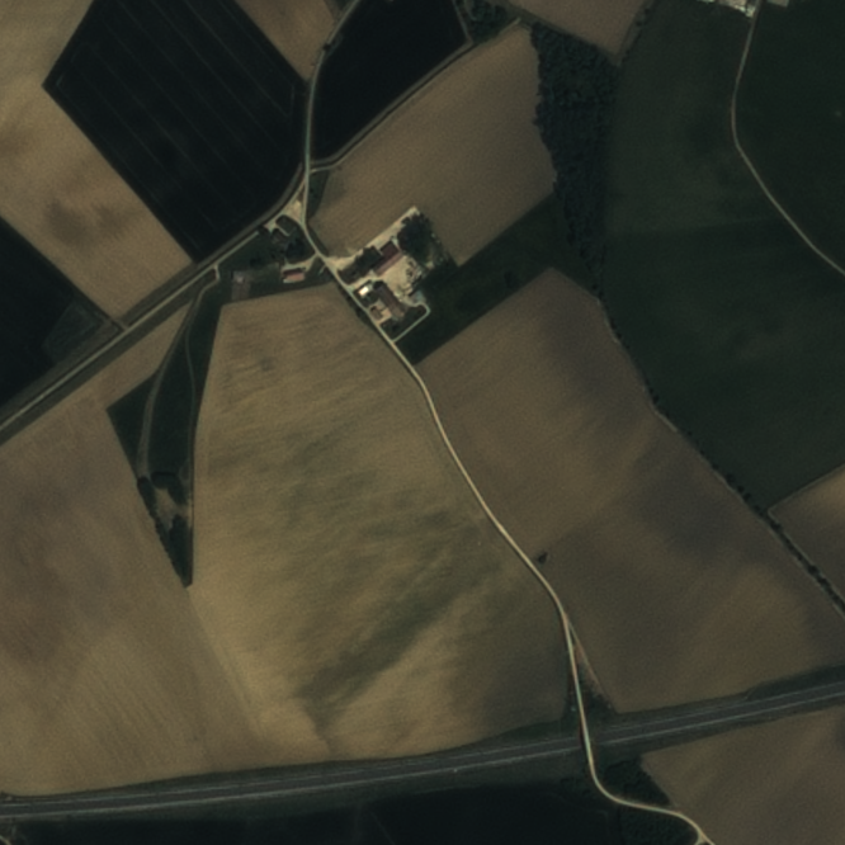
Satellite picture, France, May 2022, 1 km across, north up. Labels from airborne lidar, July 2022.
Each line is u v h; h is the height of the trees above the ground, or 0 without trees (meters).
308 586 0
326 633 0
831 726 0
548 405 0
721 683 0
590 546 0
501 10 15
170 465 0
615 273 0
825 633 0
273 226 0
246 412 0
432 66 0
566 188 24
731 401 0
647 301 0
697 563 0
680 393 0
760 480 0
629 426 0
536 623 0
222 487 0
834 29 0
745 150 0
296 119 0
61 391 0
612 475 0
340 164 0
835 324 0
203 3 0
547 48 23
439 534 0
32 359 0
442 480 0
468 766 0
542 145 0
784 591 0
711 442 0
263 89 0
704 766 0
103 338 0
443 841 0
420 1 0
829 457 0
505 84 0
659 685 0
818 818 0
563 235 0
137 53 0
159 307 0
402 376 0
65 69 0
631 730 0
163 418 0
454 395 0
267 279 0
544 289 0
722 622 0
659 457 0
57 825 0
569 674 0
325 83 0
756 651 0
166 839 0
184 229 0
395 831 0
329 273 6
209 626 0
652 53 0
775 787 0
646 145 0
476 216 0
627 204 0
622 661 0
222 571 0
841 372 0
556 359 0
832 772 0
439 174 0
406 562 0
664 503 0
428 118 0
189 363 0
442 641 0
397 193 0
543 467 0
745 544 0
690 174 0
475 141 0
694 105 0
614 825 0
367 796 0
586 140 38
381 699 0
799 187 0
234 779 0
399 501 0
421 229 24
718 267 0
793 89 0
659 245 0
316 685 0
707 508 0
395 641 0
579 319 0
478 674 0
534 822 0
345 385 0
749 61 0
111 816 0
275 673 0
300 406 0
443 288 0
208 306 0
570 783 7
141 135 0
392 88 0
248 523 0
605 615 0
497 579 0
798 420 0
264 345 0
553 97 13
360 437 0
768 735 0
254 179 0
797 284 0
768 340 0
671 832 8
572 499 0
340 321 0
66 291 0
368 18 0
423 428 0
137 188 0
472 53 0
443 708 0
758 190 0
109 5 0
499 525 0
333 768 0
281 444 0
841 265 0
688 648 0
